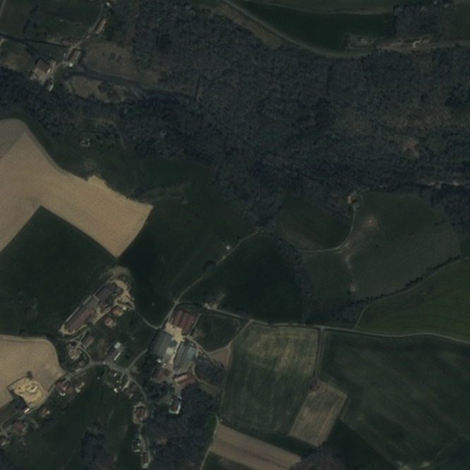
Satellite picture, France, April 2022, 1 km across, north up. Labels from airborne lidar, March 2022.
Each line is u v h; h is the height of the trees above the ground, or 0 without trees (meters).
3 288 0
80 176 0
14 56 0
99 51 0
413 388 0
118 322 0
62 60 0
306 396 0
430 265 0
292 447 0
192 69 19
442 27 20
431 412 0
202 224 0
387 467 0
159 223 0
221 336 0
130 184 0
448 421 0
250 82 21
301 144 31
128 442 0
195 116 31
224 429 0
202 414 25
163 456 21
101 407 0
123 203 0
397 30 18
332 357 0
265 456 0
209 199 0
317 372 0
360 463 0
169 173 0
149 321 0
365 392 0
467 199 22
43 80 0
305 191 28
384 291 0
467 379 0
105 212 0
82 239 0
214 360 0
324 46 0
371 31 0
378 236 0
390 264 0
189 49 24
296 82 17
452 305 0
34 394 0
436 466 0
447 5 15
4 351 0
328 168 27
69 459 0
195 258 0
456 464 0
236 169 27
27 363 0
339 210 18
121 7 15
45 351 0
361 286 0
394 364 0
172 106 38
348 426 0
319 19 0
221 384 25
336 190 24
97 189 0
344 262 0
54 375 0
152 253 0
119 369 0
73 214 0
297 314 0
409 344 0
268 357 0
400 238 0
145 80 0
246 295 0
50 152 0
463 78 17
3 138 0
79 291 0
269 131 28
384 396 0
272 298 0
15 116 0
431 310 0
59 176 0
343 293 0
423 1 0
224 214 0
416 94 22
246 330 0
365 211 0
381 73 25
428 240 0
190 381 0
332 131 22
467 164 11
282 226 0
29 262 0
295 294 0
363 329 0
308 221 0
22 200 0
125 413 0
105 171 0
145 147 15
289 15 0
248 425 0
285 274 0
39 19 15
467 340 0
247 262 0
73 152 0
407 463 0
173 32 23
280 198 28
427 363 0
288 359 0
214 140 27
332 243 0
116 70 0
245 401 0
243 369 0
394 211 0
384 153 17
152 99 21
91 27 0
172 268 0
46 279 0
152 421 14
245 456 0
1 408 0
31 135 0
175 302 0
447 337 0
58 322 0
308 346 0
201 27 27
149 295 0
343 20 0
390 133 13
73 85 0
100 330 0
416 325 0
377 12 0
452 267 0
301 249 0
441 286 0
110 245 0
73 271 0
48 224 0
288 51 8
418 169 12
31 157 0
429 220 0
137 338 0
